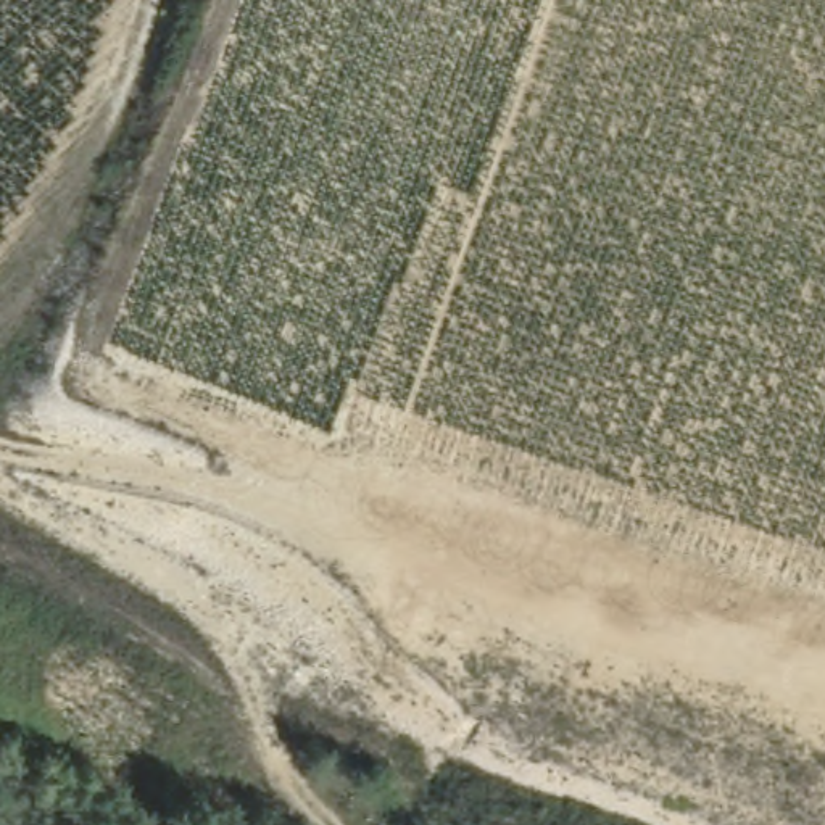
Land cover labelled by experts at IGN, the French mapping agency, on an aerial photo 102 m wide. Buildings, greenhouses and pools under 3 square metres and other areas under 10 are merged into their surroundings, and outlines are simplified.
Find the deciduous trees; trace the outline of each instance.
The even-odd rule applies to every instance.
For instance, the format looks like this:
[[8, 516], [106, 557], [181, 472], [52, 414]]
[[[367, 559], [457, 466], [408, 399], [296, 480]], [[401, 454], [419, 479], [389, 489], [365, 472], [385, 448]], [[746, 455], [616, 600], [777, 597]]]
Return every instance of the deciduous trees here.
[[55, 741], [29, 725], [0, 719], [0, 751], [10, 741], [19, 744], [26, 761], [23, 780], [35, 786], [42, 786], [48, 761], [74, 767], [74, 773], [87, 780], [93, 764], [71, 741]]

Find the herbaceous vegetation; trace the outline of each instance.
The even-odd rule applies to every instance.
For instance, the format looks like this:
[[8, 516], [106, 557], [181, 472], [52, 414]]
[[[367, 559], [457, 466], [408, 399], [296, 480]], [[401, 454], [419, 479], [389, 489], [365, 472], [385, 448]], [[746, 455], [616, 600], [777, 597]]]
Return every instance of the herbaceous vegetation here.
[[35, 300], [45, 296], [52, 274], [61, 264], [64, 238], [77, 226], [81, 206], [87, 203], [93, 161], [113, 139], [122, 106], [135, 87], [161, 0], [113, 0], [113, 6], [103, 10], [97, 19], [100, 39], [90, 58], [84, 90], [71, 103], [71, 119], [64, 129], [52, 132], [52, 151], [45, 155], [42, 171], [29, 180], [26, 197], [19, 200], [16, 213], [3, 219], [0, 232], [0, 351], [16, 335], [16, 325], [23, 322], [26, 309], [32, 309]]
[[142, 751], [171, 764], [177, 773], [193, 770], [200, 777], [229, 777], [251, 786], [271, 783], [261, 757], [255, 754], [251, 725], [245, 719], [238, 690], [222, 657], [213, 651], [213, 641], [184, 612], [161, 603], [145, 587], [113, 574], [93, 554], [58, 541], [42, 525], [26, 522], [23, 516], [0, 506], [0, 719], [29, 725], [55, 741], [71, 741], [93, 764], [119, 767], [132, 751]]
[[406, 806], [416, 825], [645, 825], [638, 819], [606, 812], [570, 796], [551, 796], [532, 786], [519, 786], [467, 761], [445, 761], [438, 764], [438, 770], [425, 767], [422, 744], [416, 744], [409, 735], [387, 732], [377, 719], [319, 709], [303, 693], [287, 693], [277, 703], [274, 728], [293, 767], [306, 777], [329, 754], [338, 757], [338, 770], [351, 783], [361, 783], [374, 773], [403, 777], [416, 786], [416, 796]]
[[332, 561], [325, 577], [354, 596], [358, 612], [374, 625], [383, 651], [396, 654], [400, 661], [413, 664], [419, 674], [435, 680], [435, 686], [445, 690], [467, 719], [487, 722], [496, 735], [512, 738], [532, 764], [558, 764], [574, 777], [587, 777], [612, 790], [641, 796], [648, 802], [661, 802], [670, 812], [693, 812], [699, 822], [709, 825], [825, 825], [825, 748], [819, 751], [812, 741], [796, 741], [796, 728], [790, 725], [761, 722], [751, 712], [706, 709], [680, 696], [667, 699], [657, 690], [638, 690], [635, 699], [619, 699], [606, 690], [577, 690], [564, 677], [558, 677], [554, 686], [535, 683], [532, 664], [516, 657], [500, 661], [490, 654], [467, 654], [467, 674], [451, 677], [442, 657], [422, 657], [409, 651], [387, 628], [383, 616], [371, 606], [358, 580], [345, 574], [338, 561]]

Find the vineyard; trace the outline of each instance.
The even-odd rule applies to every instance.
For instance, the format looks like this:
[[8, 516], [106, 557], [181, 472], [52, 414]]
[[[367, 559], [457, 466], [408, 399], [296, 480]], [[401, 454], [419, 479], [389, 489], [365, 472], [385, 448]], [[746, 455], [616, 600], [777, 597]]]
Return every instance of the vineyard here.
[[487, 442], [529, 451], [551, 464], [593, 471], [619, 487], [645, 487], [654, 496], [683, 493], [693, 512], [719, 516], [725, 522], [738, 522], [777, 538], [806, 538], [825, 551], [825, 0], [209, 0], [200, 19], [190, 64], [180, 77], [180, 87], [174, 90], [174, 103], [161, 116], [158, 135], [151, 139], [151, 148], [142, 158], [139, 187], [119, 209], [116, 232], [110, 235], [106, 251], [100, 258], [93, 300], [77, 293], [68, 306], [64, 329], [74, 332], [74, 345], [93, 358], [100, 358], [106, 345], [119, 345], [135, 358], [145, 358], [151, 364], [161, 364], [197, 380], [209, 380], [222, 390], [255, 400], [274, 413], [287, 413], [290, 419], [300, 419], [322, 432], [332, 429], [348, 380], [361, 380], [367, 400], [393, 403], [396, 409], [413, 409], [416, 416], [425, 416], [435, 425], [451, 425], [467, 435], [480, 435]]
[[0, 232], [3, 219], [16, 213], [19, 200], [26, 197], [29, 180], [42, 171], [45, 155], [52, 151], [52, 132], [64, 129], [71, 119], [71, 103], [84, 90], [90, 58], [100, 39], [97, 19], [103, 10], [113, 6], [113, 0], [0, 0]]

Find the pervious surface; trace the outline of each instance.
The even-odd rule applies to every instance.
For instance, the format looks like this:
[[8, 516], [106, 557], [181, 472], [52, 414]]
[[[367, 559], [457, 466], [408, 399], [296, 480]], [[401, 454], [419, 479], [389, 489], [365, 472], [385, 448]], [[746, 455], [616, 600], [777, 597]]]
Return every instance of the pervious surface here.
[[309, 825], [345, 825], [345, 819], [332, 806], [325, 806], [313, 793], [306, 777], [293, 767], [274, 728], [277, 703], [287, 693], [303, 693], [319, 709], [377, 719], [387, 732], [409, 735], [416, 744], [422, 744], [425, 767], [438, 770], [438, 764], [445, 761], [467, 761], [519, 786], [532, 786], [551, 796], [570, 796], [606, 812], [638, 819], [645, 825], [709, 825], [699, 822], [693, 812], [670, 812], [661, 802], [648, 802], [641, 796], [612, 790], [587, 777], [574, 777], [558, 764], [532, 764], [512, 738], [496, 735], [487, 722], [467, 719], [445, 690], [435, 686], [435, 680], [419, 674], [413, 664], [400, 661], [396, 654], [383, 651], [374, 625], [358, 612], [354, 596], [325, 577], [332, 561], [338, 561], [345, 574], [358, 580], [371, 606], [383, 616], [387, 628], [409, 651], [422, 657], [442, 657], [451, 677], [467, 674], [467, 654], [490, 654], [500, 661], [516, 657], [532, 664], [535, 683], [554, 686], [558, 677], [564, 677], [577, 690], [606, 690], [619, 699], [635, 699], [638, 690], [657, 690], [667, 699], [680, 696], [706, 709], [751, 712], [761, 722], [790, 725], [796, 728], [796, 741], [812, 741], [819, 751], [825, 748], [825, 551], [806, 538], [777, 538], [738, 522], [725, 522], [719, 516], [693, 512], [683, 493], [654, 496], [645, 487], [619, 487], [593, 471], [551, 464], [529, 451], [487, 442], [480, 435], [467, 435], [451, 425], [435, 425], [425, 416], [416, 416], [413, 409], [396, 409], [393, 403], [367, 400], [361, 380], [348, 380], [332, 429], [322, 432], [300, 419], [290, 419], [287, 413], [274, 413], [255, 400], [222, 390], [209, 380], [197, 380], [161, 364], [151, 364], [145, 358], [135, 358], [119, 345], [106, 345], [100, 358], [93, 358], [74, 345], [74, 332], [64, 329], [42, 393], [26, 403], [10, 403], [10, 425], [0, 435], [0, 506], [23, 516], [26, 522], [42, 525], [58, 541], [93, 554], [113, 574], [145, 587], [161, 603], [184, 612], [213, 641], [213, 651], [222, 657], [238, 690], [245, 719], [251, 725], [255, 754], [261, 757], [271, 783], [271, 790], [277, 790], [290, 802], [290, 809], [300, 812]]

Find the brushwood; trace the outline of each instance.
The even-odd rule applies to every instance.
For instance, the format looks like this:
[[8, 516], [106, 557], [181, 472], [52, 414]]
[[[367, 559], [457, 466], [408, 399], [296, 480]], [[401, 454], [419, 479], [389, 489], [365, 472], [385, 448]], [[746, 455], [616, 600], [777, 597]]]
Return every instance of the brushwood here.
[[93, 161], [87, 203], [81, 206], [77, 226], [64, 238], [61, 264], [52, 274], [45, 296], [35, 300], [32, 309], [26, 309], [23, 322], [16, 325], [16, 335], [0, 351], [0, 435], [10, 425], [10, 403], [26, 403], [42, 393], [64, 329], [68, 306], [77, 293], [93, 300], [100, 258], [106, 251], [110, 235], [116, 232], [119, 209], [139, 187], [142, 158], [151, 148], [151, 139], [158, 135], [161, 116], [174, 103], [174, 90], [180, 87], [180, 77], [190, 64], [200, 19], [209, 0], [161, 0], [135, 87], [122, 106], [113, 139]]

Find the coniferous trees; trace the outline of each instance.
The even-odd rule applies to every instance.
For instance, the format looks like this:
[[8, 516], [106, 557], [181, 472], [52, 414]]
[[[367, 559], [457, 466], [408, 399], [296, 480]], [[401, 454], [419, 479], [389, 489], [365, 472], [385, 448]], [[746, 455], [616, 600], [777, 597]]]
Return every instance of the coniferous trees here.
[[306, 777], [313, 793], [325, 806], [332, 806], [345, 819], [345, 825], [416, 825], [406, 806], [416, 796], [416, 786], [403, 777], [374, 773], [361, 783], [351, 783], [338, 770], [338, 757], [329, 754]]
[[271, 783], [251, 786], [229, 777], [200, 777], [193, 770], [177, 773], [171, 764], [142, 751], [132, 751], [119, 767], [93, 764], [87, 780], [74, 773], [74, 767], [48, 761], [42, 786], [35, 786], [23, 780], [26, 761], [19, 744], [10, 741], [0, 751], [0, 825], [309, 825], [300, 812], [290, 809], [290, 802], [277, 790], [271, 790]]

